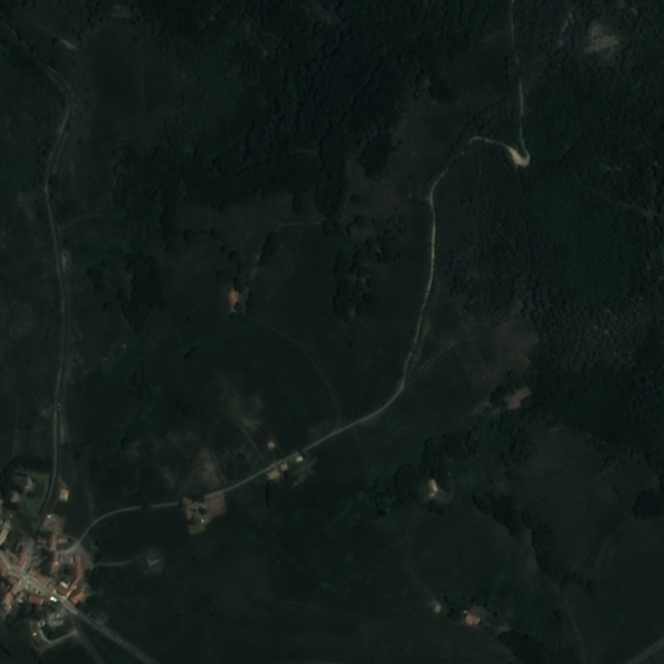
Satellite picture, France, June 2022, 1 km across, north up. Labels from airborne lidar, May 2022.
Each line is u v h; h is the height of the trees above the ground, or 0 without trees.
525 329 0
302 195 12
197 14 18
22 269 0
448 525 0
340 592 0
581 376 18
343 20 13
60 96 9
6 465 0
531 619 0
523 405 12
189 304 0
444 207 0
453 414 0
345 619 0
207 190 16
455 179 0
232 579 0
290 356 0
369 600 0
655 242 11
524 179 10
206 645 0
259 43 10
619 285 10
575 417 12
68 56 0
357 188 0
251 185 14
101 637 0
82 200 0
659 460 16
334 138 16
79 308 0
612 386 21
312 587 0
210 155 21
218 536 0
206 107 8
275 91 23
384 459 0
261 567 0
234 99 13
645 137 18
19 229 0
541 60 0
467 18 8
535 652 19
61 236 0
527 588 0
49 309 0
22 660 0
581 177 7
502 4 9
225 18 18
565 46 7
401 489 12
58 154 0
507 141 6
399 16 21
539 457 0
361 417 0
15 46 11
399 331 0
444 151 0
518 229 15
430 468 18
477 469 0
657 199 13
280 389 0
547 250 11
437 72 14
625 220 8
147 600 0
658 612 0
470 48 8
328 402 0
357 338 0
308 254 0
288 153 19
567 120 9
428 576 0
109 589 0
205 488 0
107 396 0
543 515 0
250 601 0
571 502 0
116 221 0
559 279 11
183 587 0
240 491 0
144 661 0
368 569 0
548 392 12
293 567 0
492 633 0
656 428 15
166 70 0
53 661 0
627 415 16
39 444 0
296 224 0
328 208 11
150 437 0
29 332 0
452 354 0
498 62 0
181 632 0
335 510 0
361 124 12
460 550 0
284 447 0
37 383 0
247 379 0
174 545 0
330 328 0
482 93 0
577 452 0
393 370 0
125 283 0
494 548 0
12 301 0
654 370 25
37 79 12
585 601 0
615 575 0
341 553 0
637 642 0
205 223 0
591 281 11
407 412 0
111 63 0
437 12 12
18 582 0
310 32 21
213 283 0
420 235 0
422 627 0
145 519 0
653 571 0
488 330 0
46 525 0
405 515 0
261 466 0
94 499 0
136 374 0
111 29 0
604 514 0
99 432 0
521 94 0
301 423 0
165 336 0
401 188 0
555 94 7
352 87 16
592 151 18
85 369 0
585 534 0
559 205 9
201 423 0
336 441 0
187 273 0
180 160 16
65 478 0
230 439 0
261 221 0
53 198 10
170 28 17
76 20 0
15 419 0
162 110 0
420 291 0
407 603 0
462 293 10
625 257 10
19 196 0
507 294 6
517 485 0
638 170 21
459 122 0
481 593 0
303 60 21
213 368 0
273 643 0
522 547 0
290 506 0
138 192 17
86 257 0
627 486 0
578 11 11
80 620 0
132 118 0
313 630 0
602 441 15
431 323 0
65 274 0
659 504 18
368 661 0
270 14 17
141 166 14
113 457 0
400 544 0
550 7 10
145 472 0
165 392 0
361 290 16
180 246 0
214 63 13
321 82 20
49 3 0
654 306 12
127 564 0
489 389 0
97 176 0
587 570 0
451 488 9
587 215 12
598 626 0
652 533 0
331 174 17
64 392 0
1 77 0
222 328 0
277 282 0
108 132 0
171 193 16
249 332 0
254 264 0
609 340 15
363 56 17
